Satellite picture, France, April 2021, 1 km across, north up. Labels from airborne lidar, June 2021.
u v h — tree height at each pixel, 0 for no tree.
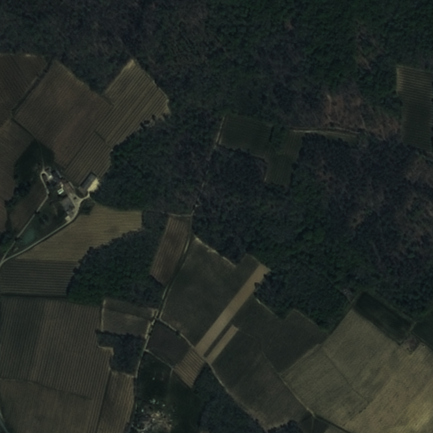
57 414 0
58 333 0
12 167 0
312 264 17
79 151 0
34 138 0
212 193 15
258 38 21
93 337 0
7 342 0
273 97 11
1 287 0
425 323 0
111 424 0
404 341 0
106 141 0
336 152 23
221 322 0
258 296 12
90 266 21
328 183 12
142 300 9
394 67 17
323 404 0
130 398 0
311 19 18
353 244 27
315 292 10
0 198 0
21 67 0
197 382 9
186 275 0
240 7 19
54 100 0
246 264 0
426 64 13
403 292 13
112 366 13
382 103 21
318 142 24
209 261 0
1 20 14
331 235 28
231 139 0
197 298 0
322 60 26
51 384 0
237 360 0
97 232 0
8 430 0
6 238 17
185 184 17
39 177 0
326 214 25
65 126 0
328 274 16
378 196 17
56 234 0
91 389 0
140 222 0
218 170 22
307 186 24
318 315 15
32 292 0
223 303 0
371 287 24
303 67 19
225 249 14
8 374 0
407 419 0
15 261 0
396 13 21
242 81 14
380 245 22
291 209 19
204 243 13
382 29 17
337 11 21
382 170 26
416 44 19
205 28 22
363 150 17
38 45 14
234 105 12
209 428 20
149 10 19
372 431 0
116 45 15
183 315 0
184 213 9
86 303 14
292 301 14
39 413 0
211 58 17
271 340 0
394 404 0
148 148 21
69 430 0
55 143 0
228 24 9
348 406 0
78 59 11
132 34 15
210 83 20
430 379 0
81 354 0
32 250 0
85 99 0
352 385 0
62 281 0
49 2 12
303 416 0
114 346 10
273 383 0
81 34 20
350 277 11
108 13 8
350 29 18
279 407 0
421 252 9
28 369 0
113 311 0
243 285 0
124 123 0
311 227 22
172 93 11
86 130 0
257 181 26
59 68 0
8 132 0
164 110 0
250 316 0
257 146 0
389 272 10
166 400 0
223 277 0
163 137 14
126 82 0
